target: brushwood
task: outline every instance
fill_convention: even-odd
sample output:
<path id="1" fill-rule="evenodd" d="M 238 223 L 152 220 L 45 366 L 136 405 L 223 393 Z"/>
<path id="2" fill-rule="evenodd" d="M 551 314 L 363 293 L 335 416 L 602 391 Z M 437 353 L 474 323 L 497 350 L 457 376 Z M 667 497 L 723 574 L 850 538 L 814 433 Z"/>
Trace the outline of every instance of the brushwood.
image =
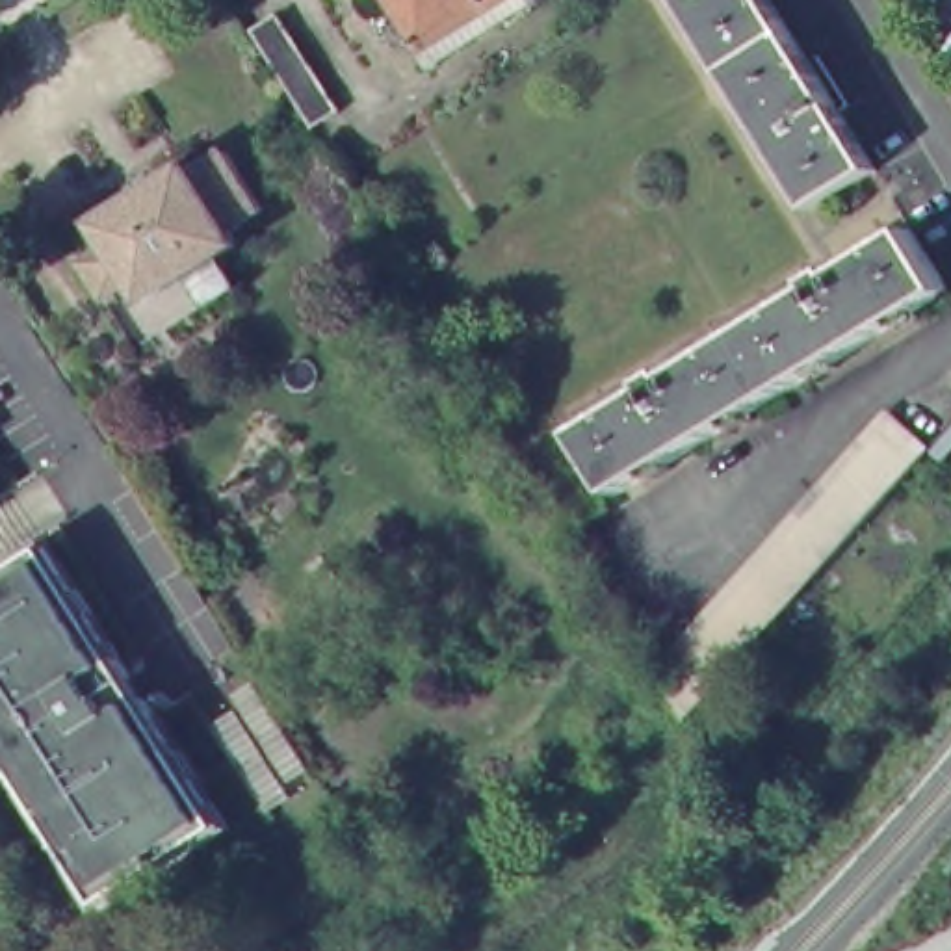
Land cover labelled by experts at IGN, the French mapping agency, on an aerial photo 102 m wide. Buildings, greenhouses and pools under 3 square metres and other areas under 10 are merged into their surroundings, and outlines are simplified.
<path id="1" fill-rule="evenodd" d="M 74 349 L 33 312 L 26 290 L 11 290 L 7 297 L 19 308 L 22 323 L 37 334 L 48 360 L 59 368 Z"/>
<path id="2" fill-rule="evenodd" d="M 223 650 L 238 643 L 238 635 L 234 620 L 219 613 L 227 606 L 227 587 L 197 587 L 204 606 L 215 609 Z"/>
<path id="3" fill-rule="evenodd" d="M 245 26 L 234 19 L 223 26 L 241 74 L 253 74 L 253 67 L 264 59 Z"/>

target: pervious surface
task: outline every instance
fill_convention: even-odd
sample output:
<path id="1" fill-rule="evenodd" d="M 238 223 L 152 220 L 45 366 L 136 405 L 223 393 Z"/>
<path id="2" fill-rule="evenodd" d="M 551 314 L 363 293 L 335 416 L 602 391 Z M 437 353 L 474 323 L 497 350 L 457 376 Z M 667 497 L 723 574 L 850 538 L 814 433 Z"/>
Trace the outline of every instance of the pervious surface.
<path id="1" fill-rule="evenodd" d="M 37 238 L 41 256 L 48 264 L 67 256 L 85 245 L 85 238 L 78 234 L 78 219 L 89 208 L 115 197 L 126 182 L 149 178 L 160 167 L 178 163 L 175 149 L 167 149 L 167 141 L 160 137 L 134 149 L 115 123 L 115 104 L 123 97 L 152 89 L 160 78 L 167 78 L 167 59 L 156 41 L 134 33 L 130 19 L 108 19 L 67 41 L 59 19 L 37 15 L 37 7 L 48 0 L 0 0 L 0 19 L 22 37 L 26 52 L 37 59 L 33 74 L 41 78 L 19 108 L 0 108 L 0 186 L 19 175 L 19 238 Z M 82 160 L 74 160 L 74 156 L 71 156 L 71 145 L 74 145 L 74 134 L 78 134 L 78 130 L 93 130 L 93 134 L 97 134 L 100 149 L 108 152 L 108 160 L 104 160 L 104 163 L 82 163 Z"/>
<path id="2" fill-rule="evenodd" d="M 420 115 L 431 100 L 442 104 L 449 93 L 457 93 L 461 82 L 483 71 L 483 56 L 498 52 L 513 59 L 542 37 L 542 26 L 554 26 L 550 0 L 528 0 L 524 11 L 502 19 L 487 33 L 423 67 L 420 45 L 409 45 L 409 33 L 394 26 L 394 15 L 383 11 L 379 0 L 264 0 L 256 15 L 267 22 L 282 15 L 297 48 L 305 52 L 305 59 L 312 63 L 312 71 L 334 100 L 334 108 L 323 111 L 327 126 L 353 126 L 379 149 L 390 134 L 401 130 L 409 115 Z"/>
<path id="3" fill-rule="evenodd" d="M 208 479 L 208 490 L 223 502 L 230 490 L 245 487 L 245 472 L 275 446 L 279 427 L 256 423 L 245 431 L 230 461 Z"/>
<path id="4" fill-rule="evenodd" d="M 944 736 L 932 762 L 910 780 L 906 806 L 895 806 L 866 836 L 862 851 L 851 851 L 828 873 L 825 884 L 810 888 L 795 914 L 773 921 L 769 932 L 754 944 L 758 951 L 862 951 L 895 910 L 895 899 L 903 899 L 914 888 L 914 877 L 925 869 L 932 851 L 951 836 L 951 732 Z"/>

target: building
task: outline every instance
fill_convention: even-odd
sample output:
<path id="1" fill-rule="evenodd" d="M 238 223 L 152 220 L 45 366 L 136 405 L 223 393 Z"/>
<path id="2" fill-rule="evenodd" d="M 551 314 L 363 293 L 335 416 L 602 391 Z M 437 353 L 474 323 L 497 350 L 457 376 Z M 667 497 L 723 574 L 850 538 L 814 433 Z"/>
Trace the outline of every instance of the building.
<path id="1" fill-rule="evenodd" d="M 383 11 L 394 15 L 394 26 L 409 33 L 409 45 L 420 45 L 423 67 L 487 33 L 502 19 L 524 11 L 528 0 L 379 0 Z"/>
<path id="2" fill-rule="evenodd" d="M 215 728 L 230 758 L 241 765 L 260 810 L 275 810 L 282 802 L 286 780 L 297 776 L 301 765 L 271 713 L 264 710 L 264 702 L 256 698 L 253 684 L 234 687 L 227 695 L 227 713 L 215 721 Z"/>
<path id="3" fill-rule="evenodd" d="M 56 535 L 41 535 L 33 554 L 26 546 L 15 546 L 0 557 L 0 791 L 45 851 L 48 866 L 56 869 L 59 884 L 67 888 L 78 910 L 108 906 L 111 888 L 104 877 L 111 869 L 126 862 L 152 862 L 156 869 L 175 869 L 193 840 L 215 836 L 215 825 L 201 817 L 204 795 L 193 780 L 189 758 L 167 743 L 167 732 L 152 717 L 156 710 L 167 710 L 167 695 L 160 695 L 160 684 L 145 654 L 130 643 L 130 635 L 108 643 L 100 635 L 89 602 L 78 587 L 71 587 L 71 580 L 59 568 L 59 561 L 74 550 L 67 550 Z"/>
<path id="4" fill-rule="evenodd" d="M 275 78 L 264 82 L 264 97 L 275 100 L 286 97 L 301 126 L 327 126 L 323 111 L 334 108 L 334 100 L 312 71 L 312 63 L 305 59 L 305 52 L 297 48 L 282 15 L 267 22 L 256 15 L 245 26 L 264 59 L 275 71 Z"/>
<path id="5" fill-rule="evenodd" d="M 249 230 L 249 215 L 256 212 L 256 201 L 241 186 L 227 152 L 197 149 L 189 160 L 178 163 L 160 167 L 149 178 L 126 182 L 115 197 L 89 208 L 78 219 L 78 234 L 85 238 L 85 245 L 67 256 L 89 282 L 93 301 L 123 297 L 130 312 L 141 301 L 186 282 L 201 305 L 219 297 L 227 286 L 219 271 L 219 253 L 227 249 L 230 256 L 245 256 L 245 245 L 256 238 Z"/>
<path id="6" fill-rule="evenodd" d="M 301 215 L 316 215 L 338 241 L 371 238 L 379 225 L 345 160 L 334 149 L 316 141 L 312 156 L 305 156 L 308 167 L 280 197 L 293 201 Z"/>
<path id="7" fill-rule="evenodd" d="M 646 494 L 687 476 L 698 457 L 710 461 L 710 438 L 717 438 L 717 420 L 758 405 L 773 394 L 791 390 L 806 383 L 828 357 L 866 338 L 877 338 L 880 316 L 929 301 L 940 286 L 936 275 L 914 256 L 910 241 L 895 230 L 858 234 L 843 253 L 806 264 L 791 267 L 776 290 L 750 301 L 732 319 L 695 334 L 687 345 L 658 353 L 620 371 L 617 379 L 591 386 L 583 397 L 557 405 L 554 446 L 583 490 L 609 494 Z"/>
<path id="8" fill-rule="evenodd" d="M 788 606 L 788 598 L 810 580 L 810 572 L 832 554 L 832 546 L 899 479 L 918 457 L 940 461 L 951 453 L 951 423 L 944 438 L 921 446 L 888 412 L 873 416 L 866 431 L 840 453 L 840 461 L 817 479 L 810 498 L 795 505 L 773 528 L 773 535 L 739 565 L 739 572 L 698 609 L 691 632 L 691 643 L 710 658 L 721 646 L 747 639 Z"/>
<path id="9" fill-rule="evenodd" d="M 676 695 L 669 695 L 669 710 L 684 717 L 698 702 L 698 695 L 680 687 Z"/>
<path id="10" fill-rule="evenodd" d="M 743 115 L 754 145 L 788 189 L 776 201 L 784 212 L 806 212 L 817 204 L 821 197 L 858 178 L 862 163 L 840 137 L 821 93 L 795 67 L 784 37 L 776 33 L 758 0 L 669 0 L 676 22 L 698 52 L 698 67 L 721 82 L 724 97 Z"/>

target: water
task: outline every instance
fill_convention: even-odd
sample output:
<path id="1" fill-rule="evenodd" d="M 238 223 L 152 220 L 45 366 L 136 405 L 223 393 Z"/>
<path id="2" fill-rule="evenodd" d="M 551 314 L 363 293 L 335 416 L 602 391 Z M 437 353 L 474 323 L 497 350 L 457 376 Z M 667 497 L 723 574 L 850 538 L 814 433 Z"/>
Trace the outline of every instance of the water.
<path id="1" fill-rule="evenodd" d="M 230 490 L 223 502 L 253 528 L 256 509 L 275 505 L 290 494 L 297 479 L 293 461 L 275 446 L 245 472 L 245 487 Z"/>

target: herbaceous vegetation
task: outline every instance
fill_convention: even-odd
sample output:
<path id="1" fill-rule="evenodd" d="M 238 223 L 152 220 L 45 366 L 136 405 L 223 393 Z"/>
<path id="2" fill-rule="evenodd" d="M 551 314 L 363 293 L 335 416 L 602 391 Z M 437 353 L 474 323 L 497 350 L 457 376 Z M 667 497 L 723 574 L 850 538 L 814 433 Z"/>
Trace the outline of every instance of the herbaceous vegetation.
<path id="1" fill-rule="evenodd" d="M 732 319 L 750 301 L 776 290 L 791 267 L 806 264 L 806 253 L 791 234 L 784 212 L 776 201 L 765 193 L 747 152 L 732 141 L 721 111 L 710 104 L 698 74 L 661 26 L 650 0 L 591 0 L 591 26 L 606 26 L 602 52 L 594 59 L 576 56 L 572 48 L 557 52 L 561 78 L 576 89 L 576 104 L 587 108 L 576 130 L 565 130 L 565 119 L 528 115 L 520 97 L 524 78 L 494 85 L 494 78 L 483 71 L 461 82 L 457 93 L 449 93 L 442 104 L 431 100 L 420 115 L 409 115 L 401 130 L 390 134 L 379 149 L 379 171 L 416 167 L 431 178 L 438 212 L 449 223 L 449 230 L 435 245 L 446 253 L 446 264 L 438 271 L 468 279 L 461 286 L 461 305 L 490 308 L 494 301 L 509 301 L 524 316 L 561 308 L 561 334 L 528 338 L 524 331 L 516 331 L 509 338 L 483 338 L 476 353 L 483 360 L 509 364 L 520 375 L 524 409 L 509 423 L 509 446 L 516 461 L 528 464 L 531 476 L 542 479 L 561 505 L 568 505 L 583 490 L 554 446 L 557 405 L 583 397 L 591 386 L 617 379 L 620 371 L 658 353 L 687 345 L 695 334 Z M 684 201 L 665 201 L 643 189 L 643 167 L 650 149 L 684 152 L 691 171 Z"/>
<path id="2" fill-rule="evenodd" d="M 71 145 L 71 156 L 74 156 L 74 160 L 82 160 L 82 163 L 104 163 L 104 160 L 108 160 L 108 152 L 100 149 L 97 134 L 93 134 L 93 130 L 78 130 L 78 134 L 74 134 L 74 145 Z"/>
<path id="3" fill-rule="evenodd" d="M 26 290 L 33 312 L 74 349 L 85 349 L 93 364 L 85 397 L 104 397 L 111 386 L 130 386 L 163 423 L 167 479 L 186 531 L 193 539 L 212 542 L 223 520 L 234 528 L 245 557 L 245 576 L 234 587 L 227 587 L 227 606 L 219 613 L 234 620 L 238 635 L 253 643 L 256 624 L 290 624 L 301 632 L 305 617 L 316 606 L 327 606 L 334 583 L 360 568 L 360 542 L 375 539 L 383 516 L 412 513 L 420 524 L 438 528 L 446 520 L 464 520 L 464 490 L 468 483 L 483 479 L 461 457 L 401 442 L 368 405 L 357 401 L 353 379 L 342 371 L 342 364 L 349 364 L 353 345 L 338 345 L 327 334 L 305 331 L 290 338 L 290 331 L 282 327 L 293 316 L 297 275 L 312 264 L 323 264 L 338 241 L 316 215 L 301 215 L 293 201 L 280 197 L 264 182 L 249 134 L 253 123 L 275 111 L 275 100 L 264 97 L 264 82 L 275 78 L 275 71 L 264 59 L 253 67 L 253 74 L 241 74 L 223 26 L 208 26 L 189 48 L 167 59 L 167 78 L 160 78 L 152 89 L 160 93 L 171 119 L 171 126 L 160 137 L 167 141 L 167 149 L 175 149 L 178 163 L 189 160 L 197 149 L 227 152 L 241 186 L 256 201 L 256 212 L 249 215 L 249 230 L 256 238 L 245 245 L 245 256 L 253 267 L 260 267 L 260 282 L 245 293 L 234 293 L 227 286 L 219 297 L 201 305 L 171 327 L 171 338 L 182 349 L 197 349 L 204 342 L 215 342 L 219 334 L 227 345 L 249 353 L 256 368 L 271 379 L 253 394 L 253 405 L 260 412 L 249 412 L 249 423 L 241 423 L 227 412 L 227 405 L 197 401 L 171 360 L 156 349 L 152 338 L 137 331 L 130 312 L 123 297 L 93 301 L 89 282 L 67 256 L 48 264 L 41 267 L 41 282 Z M 301 524 L 286 509 L 286 528 L 279 528 L 264 542 L 253 528 L 223 502 L 208 490 L 208 479 L 230 461 L 245 431 L 256 423 L 279 427 L 275 446 L 293 461 L 312 446 L 334 442 L 334 457 L 327 461 L 331 487 L 319 490 L 312 524 Z"/>
<path id="4" fill-rule="evenodd" d="M 528 587 L 520 594 L 520 606 L 528 613 L 535 639 L 531 650 L 542 665 L 561 665 L 565 650 L 554 639 L 554 613 L 542 602 L 539 587 Z"/>
<path id="5" fill-rule="evenodd" d="M 895 899 L 895 910 L 862 951 L 951 951 L 951 836 L 932 851 L 925 869 L 914 877 L 914 888 L 903 899 Z"/>
<path id="6" fill-rule="evenodd" d="M 108 19 L 97 0 L 48 0 L 37 7 L 37 15 L 59 19 L 67 41 Z"/>
<path id="7" fill-rule="evenodd" d="M 747 639 L 758 654 L 758 672 L 788 691 L 784 710 L 773 713 L 762 736 L 754 739 L 754 747 L 762 750 L 762 765 L 780 784 L 806 780 L 814 788 L 814 802 L 836 817 L 828 821 L 821 843 L 806 858 L 788 858 L 780 866 L 776 895 L 750 906 L 732 929 L 732 944 L 717 951 L 758 951 L 754 944 L 769 932 L 773 921 L 795 914 L 810 888 L 825 884 L 828 873 L 851 851 L 862 851 L 866 836 L 895 806 L 906 806 L 910 780 L 932 762 L 944 736 L 951 732 L 951 453 L 940 461 L 940 487 L 932 494 L 918 483 L 910 483 L 906 490 L 899 479 L 832 546 L 832 554 L 810 572 L 810 580 L 788 598 L 788 606 Z M 929 687 L 936 695 L 932 732 L 921 739 L 910 736 L 906 743 L 892 743 L 888 736 L 869 732 L 862 739 L 858 758 L 847 769 L 836 769 L 828 758 L 828 732 L 854 732 L 869 724 L 869 713 L 880 706 L 869 695 L 869 680 L 880 680 L 895 661 L 918 687 Z"/>
<path id="8" fill-rule="evenodd" d="M 587 932 L 620 936 L 628 918 L 639 918 L 632 873 L 639 873 L 646 862 L 669 851 L 661 817 L 665 806 L 643 788 L 646 769 L 654 769 L 665 758 L 665 743 L 635 743 L 624 732 L 606 743 L 606 754 L 617 762 L 613 791 L 602 791 L 591 802 L 591 810 L 583 814 L 587 825 L 580 832 L 572 832 L 561 847 L 550 847 L 550 858 L 539 866 L 535 877 L 539 888 L 528 899 L 502 899 L 502 914 L 487 914 L 487 932 L 476 951 L 565 951 L 565 944 L 583 944 Z"/>
<path id="9" fill-rule="evenodd" d="M 316 929 L 327 918 L 327 895 L 308 877 L 301 825 L 312 817 L 327 791 L 342 806 L 357 806 L 357 795 L 368 784 L 368 776 L 386 765 L 405 784 L 405 814 L 412 828 L 423 828 L 431 821 L 435 806 L 464 810 L 468 817 L 476 817 L 483 810 L 483 799 L 509 773 L 535 762 L 539 750 L 550 750 L 557 743 L 576 747 L 583 736 L 594 736 L 594 717 L 606 710 L 613 691 L 587 676 L 565 680 L 554 669 L 550 680 L 531 672 L 513 676 L 505 691 L 490 687 L 490 695 L 476 695 L 464 706 L 431 706 L 394 684 L 383 706 L 338 724 L 331 736 L 323 732 L 327 747 L 334 747 L 345 758 L 342 773 L 331 773 L 327 765 L 301 765 L 297 776 L 286 780 L 282 802 L 275 810 L 260 810 L 245 825 L 241 840 L 256 847 L 260 880 L 275 884 L 279 899 L 286 899 L 293 910 L 293 925 L 279 936 L 286 951 L 316 951 Z"/>
<path id="10" fill-rule="evenodd" d="M 0 108 L 19 108 L 41 78 L 33 74 L 37 59 L 26 52 L 22 37 L 0 19 Z"/>

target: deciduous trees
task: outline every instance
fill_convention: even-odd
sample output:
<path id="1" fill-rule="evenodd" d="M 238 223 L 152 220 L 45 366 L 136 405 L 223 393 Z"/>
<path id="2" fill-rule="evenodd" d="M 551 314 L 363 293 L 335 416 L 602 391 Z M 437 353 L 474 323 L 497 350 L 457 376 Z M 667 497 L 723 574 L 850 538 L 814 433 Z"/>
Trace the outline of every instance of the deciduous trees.
<path id="1" fill-rule="evenodd" d="M 557 52 L 572 48 L 576 56 L 594 59 L 602 52 L 606 26 L 591 26 L 591 0 L 550 0 L 554 26 L 542 26 L 542 37 L 513 59 L 498 52 L 483 56 L 483 71 L 494 78 L 494 85 L 524 78 L 520 97 L 528 115 L 565 119 L 565 130 L 576 130 L 587 108 L 576 104 L 576 89 L 561 78 Z"/>
<path id="2" fill-rule="evenodd" d="M 126 862 L 111 869 L 104 877 L 111 888 L 108 906 L 78 910 L 67 888 L 59 884 L 56 869 L 48 866 L 45 851 L 0 791 L 0 951 L 286 951 L 279 936 L 293 925 L 293 910 L 286 899 L 279 899 L 275 884 L 260 880 L 256 847 L 241 840 L 227 847 L 215 836 L 193 840 L 175 869 L 156 869 L 152 862 Z"/>
<path id="3" fill-rule="evenodd" d="M 799 397 L 791 390 L 773 394 L 758 405 L 762 423 L 776 423 L 788 416 L 788 409 L 799 409 Z"/>
<path id="4" fill-rule="evenodd" d="M 130 498 L 145 509 L 171 565 L 189 587 L 197 587 L 227 587 L 234 587 L 245 576 L 245 557 L 234 528 L 223 520 L 212 542 L 193 539 L 186 531 L 167 479 L 163 423 L 130 386 L 111 386 L 104 397 L 85 397 L 93 364 L 85 349 L 74 349 L 59 368 L 74 394 L 74 405 L 104 438 L 108 461 L 119 468 Z"/>
<path id="5" fill-rule="evenodd" d="M 7 297 L 11 290 L 26 290 L 41 282 L 41 267 L 48 264 L 41 256 L 37 238 L 19 238 L 19 175 L 0 186 L 0 293 Z"/>
<path id="6" fill-rule="evenodd" d="M 892 743 L 906 743 L 910 736 L 921 739 L 932 732 L 936 695 L 929 687 L 918 687 L 895 661 L 880 680 L 869 680 L 869 695 L 880 706 L 869 713 L 869 724 L 854 732 L 828 732 L 828 758 L 836 769 L 847 769 L 858 758 L 862 739 L 869 732 L 888 736 Z"/>
<path id="7" fill-rule="evenodd" d="M 825 227 L 854 215 L 877 197 L 873 182 L 858 178 L 821 197 L 817 204 L 817 219 Z"/>
<path id="8" fill-rule="evenodd" d="M 249 423 L 249 412 L 260 412 L 253 405 L 253 394 L 271 379 L 256 368 L 249 353 L 227 345 L 219 334 L 215 342 L 204 342 L 197 349 L 182 349 L 182 357 L 171 360 L 197 401 L 227 405 L 227 412 L 241 423 Z"/>
<path id="9" fill-rule="evenodd" d="M 115 104 L 115 123 L 134 149 L 160 137 L 171 126 L 171 119 L 160 93 L 152 89 L 123 97 Z"/>
<path id="10" fill-rule="evenodd" d="M 219 271 L 227 286 L 234 293 L 245 293 L 260 282 L 260 267 L 253 267 L 245 256 L 230 256 L 227 249 L 219 253 Z"/>
<path id="11" fill-rule="evenodd" d="M 899 479 L 906 490 L 910 483 L 918 483 L 932 494 L 940 487 L 940 461 L 918 457 Z"/>
<path id="12" fill-rule="evenodd" d="M 650 149 L 643 167 L 643 189 L 665 201 L 684 201 L 691 171 L 684 152 Z"/>
<path id="13" fill-rule="evenodd" d="M 921 85 L 951 104 L 951 0 L 877 0 L 877 45 L 888 56 L 910 59 Z"/>
<path id="14" fill-rule="evenodd" d="M 780 866 L 788 858 L 806 858 L 821 843 L 828 821 L 836 817 L 814 802 L 814 788 L 806 780 L 780 784 L 762 765 L 762 750 L 754 747 L 754 739 L 762 736 L 773 713 L 784 710 L 788 691 L 758 672 L 758 654 L 747 639 L 721 646 L 710 658 L 691 643 L 691 632 L 672 632 L 650 650 L 643 635 L 632 628 L 628 602 L 606 583 L 594 550 L 587 550 L 583 542 L 583 531 L 609 513 L 609 494 L 583 490 L 568 505 L 561 505 L 542 479 L 531 476 L 528 464 L 516 461 L 509 446 L 509 423 L 524 409 L 520 375 L 509 364 L 483 360 L 476 353 L 483 338 L 509 338 L 516 331 L 524 331 L 528 338 L 561 334 L 561 308 L 524 316 L 509 301 L 494 301 L 490 308 L 461 305 L 461 286 L 468 279 L 438 271 L 446 264 L 446 253 L 435 245 L 449 230 L 449 223 L 438 212 L 431 178 L 416 167 L 379 171 L 379 149 L 353 126 L 327 126 L 301 126 L 286 97 L 275 100 L 275 111 L 253 123 L 249 134 L 264 182 L 280 197 L 308 167 L 305 156 L 312 156 L 316 141 L 334 149 L 345 160 L 379 225 L 371 238 L 338 241 L 323 264 L 312 264 L 297 275 L 293 316 L 282 327 L 290 331 L 290 338 L 305 331 L 327 334 L 338 345 L 353 345 L 349 364 L 342 364 L 342 371 L 353 379 L 357 401 L 368 405 L 401 442 L 461 457 L 483 479 L 468 483 L 464 490 L 464 520 L 446 520 L 438 528 L 420 524 L 412 513 L 383 516 L 375 539 L 360 542 L 360 568 L 334 583 L 327 606 L 316 606 L 305 617 L 301 632 L 290 624 L 256 624 L 253 643 L 238 635 L 238 643 L 223 650 L 223 669 L 230 672 L 234 687 L 253 684 L 256 698 L 264 702 L 264 710 L 271 713 L 301 765 L 327 765 L 331 773 L 342 773 L 345 758 L 334 747 L 327 747 L 323 732 L 331 736 L 338 724 L 383 706 L 394 684 L 431 706 L 464 706 L 476 695 L 490 695 L 490 687 L 505 691 L 513 676 L 531 672 L 550 680 L 554 669 L 565 680 L 587 676 L 613 691 L 606 710 L 594 717 L 594 736 L 583 736 L 576 747 L 557 743 L 550 750 L 539 750 L 535 762 L 509 773 L 483 799 L 483 810 L 476 817 L 468 817 L 464 810 L 435 806 L 431 821 L 423 828 L 412 828 L 405 814 L 405 784 L 386 765 L 368 776 L 368 784 L 357 795 L 357 806 L 342 806 L 327 791 L 312 817 L 301 825 L 308 877 L 327 895 L 327 918 L 316 929 L 316 951 L 476 951 L 487 932 L 487 914 L 502 914 L 502 899 L 528 899 L 539 888 L 535 877 L 539 866 L 550 858 L 550 847 L 561 847 L 572 832 L 580 832 L 587 825 L 583 814 L 591 810 L 591 802 L 602 791 L 613 791 L 617 762 L 606 754 L 606 743 L 624 732 L 635 743 L 665 743 L 665 758 L 654 769 L 646 769 L 643 788 L 665 806 L 661 817 L 669 851 L 646 862 L 639 873 L 632 873 L 639 918 L 628 918 L 620 936 L 587 932 L 583 944 L 565 944 L 565 951 L 717 951 L 732 944 L 732 929 L 750 906 L 776 895 Z M 542 602 L 554 613 L 554 639 L 565 650 L 561 665 L 542 665 L 531 650 L 535 639 L 528 613 L 520 606 L 520 594 L 528 587 L 539 587 Z M 676 695 L 680 687 L 698 695 L 698 702 L 684 717 L 669 710 L 669 695 Z"/>
<path id="15" fill-rule="evenodd" d="M 279 528 L 286 528 L 286 509 L 301 524 L 312 524 L 319 490 L 331 487 L 327 461 L 334 457 L 334 442 L 312 446 L 293 461 L 297 479 L 290 494 L 275 505 L 256 509 L 253 528 L 264 542 Z"/>
<path id="16" fill-rule="evenodd" d="M 223 26 L 234 19 L 245 26 L 256 15 L 264 0 L 97 0 L 108 19 L 130 19 L 134 33 L 156 41 L 167 59 L 189 48 L 208 26 Z"/>

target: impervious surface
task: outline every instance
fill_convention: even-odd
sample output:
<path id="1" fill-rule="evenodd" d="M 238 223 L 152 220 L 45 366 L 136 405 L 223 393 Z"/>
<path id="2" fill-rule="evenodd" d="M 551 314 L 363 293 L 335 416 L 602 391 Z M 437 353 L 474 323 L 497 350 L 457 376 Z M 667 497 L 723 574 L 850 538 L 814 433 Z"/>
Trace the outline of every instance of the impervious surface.
<path id="1" fill-rule="evenodd" d="M 951 423 L 951 104 L 921 85 L 910 59 L 888 56 L 877 45 L 877 0 L 758 0 L 776 33 L 784 37 L 795 67 L 821 93 L 840 137 L 862 163 L 858 178 L 873 182 L 877 197 L 854 215 L 825 227 L 817 219 L 817 204 L 806 212 L 784 212 L 791 234 L 806 253 L 806 264 L 843 253 L 858 234 L 895 230 L 910 241 L 914 256 L 936 275 L 940 286 L 929 301 L 880 316 L 877 338 L 866 338 L 828 357 L 806 383 L 791 390 L 799 397 L 799 409 L 788 409 L 788 416 L 776 423 L 762 423 L 758 405 L 717 420 L 717 438 L 710 438 L 710 461 L 698 457 L 687 476 L 646 494 L 609 494 L 609 513 L 583 531 L 583 542 L 587 550 L 594 550 L 606 583 L 628 602 L 632 628 L 643 635 L 650 650 L 672 632 L 691 632 L 698 609 L 739 572 L 739 565 L 773 535 L 773 528 L 795 505 L 810 498 L 817 479 L 840 461 L 840 453 L 866 431 L 873 416 L 888 412 L 921 446 L 944 438 Z"/>
<path id="2" fill-rule="evenodd" d="M 182 357 L 182 349 L 171 338 L 171 327 L 201 305 L 186 282 L 141 301 L 130 312 L 137 331 L 152 338 L 156 349 L 171 360 Z"/>
<path id="3" fill-rule="evenodd" d="M 145 654 L 160 684 L 160 695 L 167 695 L 167 710 L 156 710 L 152 717 L 167 732 L 167 743 L 189 758 L 193 780 L 204 795 L 201 817 L 215 825 L 215 836 L 227 847 L 241 840 L 245 825 L 260 810 L 241 765 L 230 758 L 215 728 L 215 721 L 227 713 L 227 695 L 234 687 L 230 672 L 223 669 L 223 650 L 215 609 L 204 606 L 197 587 L 189 587 L 171 565 L 145 509 L 130 498 L 119 468 L 108 461 L 104 438 L 74 405 L 74 394 L 59 368 L 48 360 L 37 334 L 22 323 L 19 308 L 7 297 L 0 293 L 0 557 L 15 546 L 26 546 L 33 554 L 41 535 L 56 535 L 67 550 L 74 550 L 59 561 L 59 568 L 71 580 L 71 587 L 78 587 L 89 602 L 100 635 L 108 643 L 130 635 L 130 643 Z"/>
<path id="4" fill-rule="evenodd" d="M 732 141 L 747 152 L 765 193 L 776 201 L 788 189 L 754 145 L 743 115 L 724 97 L 721 82 L 698 67 L 698 52 L 676 22 L 669 0 L 650 0 L 661 26 L 698 74 L 710 104 L 721 111 Z"/>

